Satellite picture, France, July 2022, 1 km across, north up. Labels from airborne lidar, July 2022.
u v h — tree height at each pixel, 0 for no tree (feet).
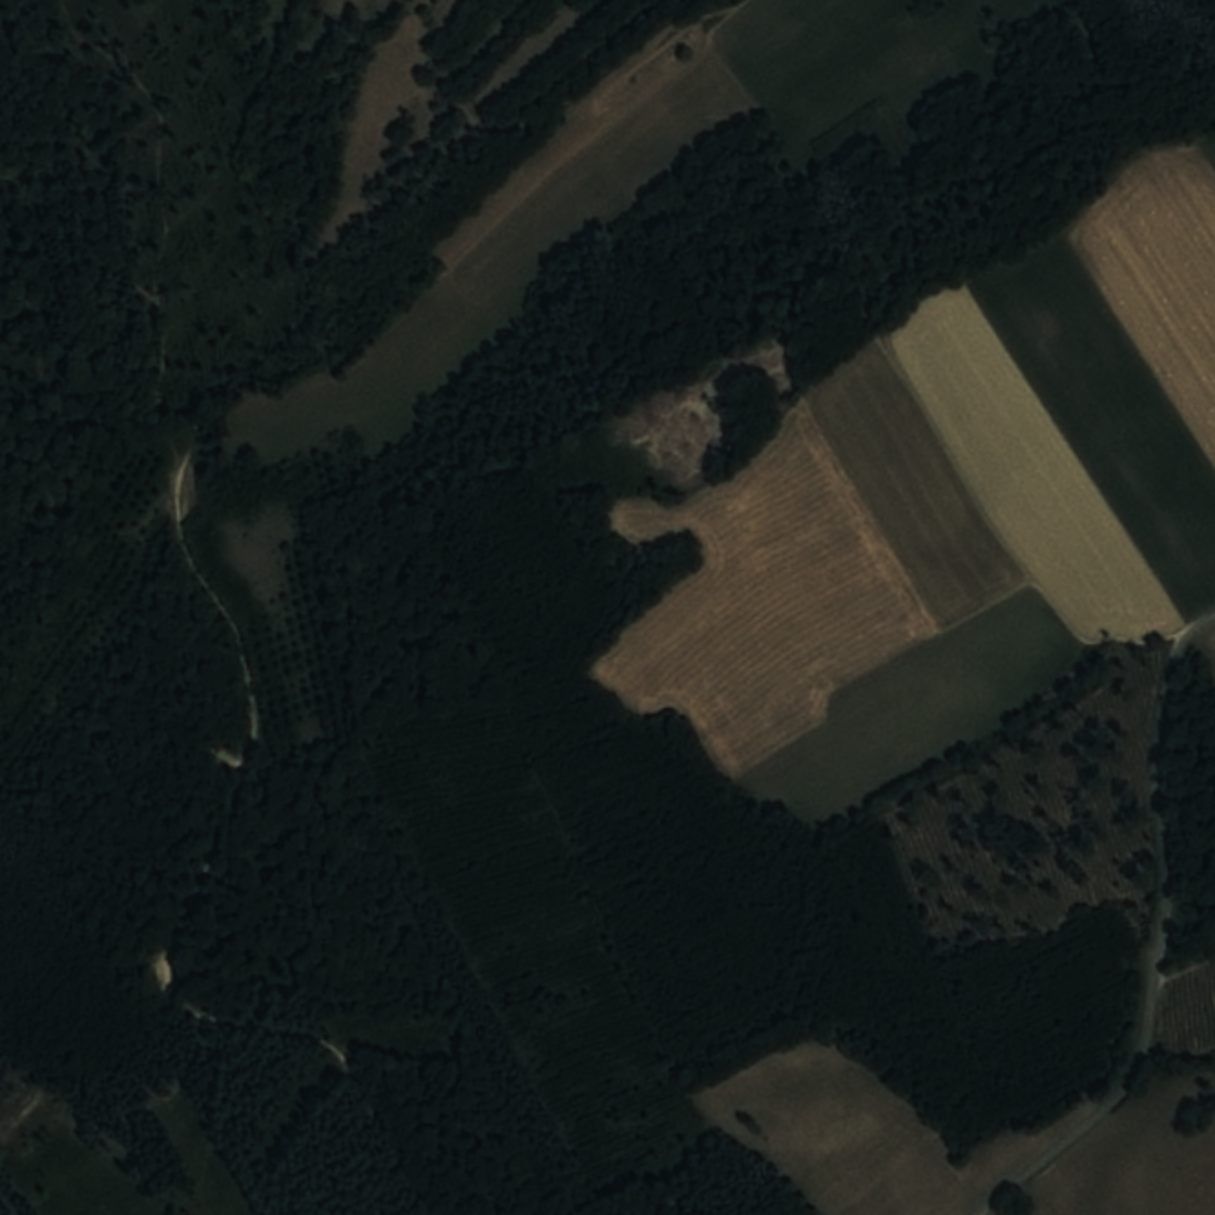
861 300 75
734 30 0
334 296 38
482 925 20
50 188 87
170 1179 71
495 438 84
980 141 89
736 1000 25
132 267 79
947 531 0
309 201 42
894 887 31
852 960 31
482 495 47
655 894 28
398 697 71
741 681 0
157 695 83
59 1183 0
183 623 69
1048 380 0
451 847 22
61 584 69
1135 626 0
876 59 0
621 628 64
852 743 0
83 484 110
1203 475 0
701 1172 84
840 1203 0
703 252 53
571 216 0
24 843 69
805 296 97
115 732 71
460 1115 63
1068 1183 0
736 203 66
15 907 52
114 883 65
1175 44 83
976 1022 20
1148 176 0
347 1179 94
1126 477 0
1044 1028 22
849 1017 30
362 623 87
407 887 73
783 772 0
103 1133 81
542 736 23
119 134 67
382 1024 76
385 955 68
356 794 84
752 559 0
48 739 40
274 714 27
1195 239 0
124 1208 0
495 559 34
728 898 28
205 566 24
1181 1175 0
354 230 60
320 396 0
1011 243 81
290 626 28
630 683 0
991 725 0
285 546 33
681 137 0
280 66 47
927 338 0
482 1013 84
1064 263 0
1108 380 0
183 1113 0
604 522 63
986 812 0
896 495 0
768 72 0
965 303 0
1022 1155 0
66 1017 58
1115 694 0
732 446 64
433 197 69
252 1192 93
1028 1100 29
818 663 0
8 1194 87
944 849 0
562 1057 22
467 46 66
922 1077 33
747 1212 83
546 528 31
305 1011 87
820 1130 0
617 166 0
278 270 79
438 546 62
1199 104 84
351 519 73
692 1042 21
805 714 0
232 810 58
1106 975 28
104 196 64
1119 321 0
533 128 56
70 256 70
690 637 0
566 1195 82
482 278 0
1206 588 0
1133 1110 0
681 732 54
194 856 96
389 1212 79
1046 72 71
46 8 93
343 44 67
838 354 65
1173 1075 65
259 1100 105
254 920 51
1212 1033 0
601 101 0
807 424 0
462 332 0
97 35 92
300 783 72
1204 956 66
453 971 75
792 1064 0
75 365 107
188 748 68
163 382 64
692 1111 25
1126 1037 24
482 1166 78
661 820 31
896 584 0
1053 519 0
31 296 101
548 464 28
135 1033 53
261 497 20
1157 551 0
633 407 93
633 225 27
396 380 0
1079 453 0
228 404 53
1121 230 0
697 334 48
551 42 0
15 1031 57
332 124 72
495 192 26
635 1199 82
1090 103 75
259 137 53
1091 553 0
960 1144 44
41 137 93
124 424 92
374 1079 83
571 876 21
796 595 0
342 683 32
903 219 77
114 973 44
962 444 0
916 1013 30
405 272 64
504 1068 77
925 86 0
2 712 24
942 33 0
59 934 51
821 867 32
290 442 0
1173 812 95
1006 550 0
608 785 20
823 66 0
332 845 70
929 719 0
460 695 70
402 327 0
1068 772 0
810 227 72
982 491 0
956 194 57
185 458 0
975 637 0
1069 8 50
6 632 70
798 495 0
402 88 0
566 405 80
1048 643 0
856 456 0
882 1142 0
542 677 31
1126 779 0
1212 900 72
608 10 67
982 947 41
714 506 0
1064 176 83
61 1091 64
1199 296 0
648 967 28
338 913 76
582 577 39
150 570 27
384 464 28
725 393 70
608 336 59
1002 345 0
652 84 0
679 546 81
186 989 91
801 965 48
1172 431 0
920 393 0
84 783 64
